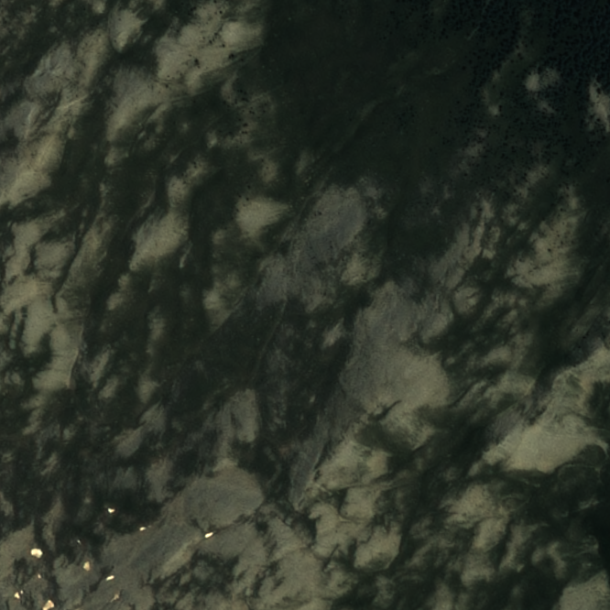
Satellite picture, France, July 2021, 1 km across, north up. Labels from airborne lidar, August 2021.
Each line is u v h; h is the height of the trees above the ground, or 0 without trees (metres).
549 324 0
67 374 0
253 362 0
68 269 0
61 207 0
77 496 0
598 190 0
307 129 0
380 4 0
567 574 0
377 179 0
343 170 0
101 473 0
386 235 0
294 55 0
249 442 0
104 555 0
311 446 0
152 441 0
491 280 0
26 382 0
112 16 0
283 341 0
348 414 0
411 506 0
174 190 0
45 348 0
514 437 0
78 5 0
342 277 0
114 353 0
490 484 0
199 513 0
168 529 0
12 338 0
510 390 0
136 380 0
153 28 0
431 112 0
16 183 0
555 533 0
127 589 0
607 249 0
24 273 0
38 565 0
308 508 0
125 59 0
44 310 0
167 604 0
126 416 0
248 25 0
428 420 0
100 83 0
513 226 0
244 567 0
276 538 0
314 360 0
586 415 0
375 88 0
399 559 0
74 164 0
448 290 0
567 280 0
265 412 0
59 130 0
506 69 0
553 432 0
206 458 0
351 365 0
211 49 0
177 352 0
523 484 0
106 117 0
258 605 0
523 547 0
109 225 0
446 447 0
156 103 0
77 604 0
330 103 0
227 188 0
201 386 0
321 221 0
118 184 0
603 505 0
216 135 0
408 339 0
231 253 0
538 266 0
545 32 0
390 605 0
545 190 0
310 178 0
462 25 7
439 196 0
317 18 0
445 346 0
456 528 0
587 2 20
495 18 8
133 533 0
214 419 0
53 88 0
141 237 0
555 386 0
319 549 0
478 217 0
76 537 0
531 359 0
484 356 0
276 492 0
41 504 0
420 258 0
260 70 0
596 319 0
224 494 0
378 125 0
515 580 0
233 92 0
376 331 0
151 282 0
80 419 0
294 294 0
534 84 0
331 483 0
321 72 0
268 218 0
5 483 0
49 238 0
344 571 0
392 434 0
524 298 0
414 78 0
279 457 0
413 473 0
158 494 0
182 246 0
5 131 0
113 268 0
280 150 0
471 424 0
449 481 0
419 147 0
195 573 0
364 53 0
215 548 0
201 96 0
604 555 0
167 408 0
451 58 0
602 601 0
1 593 0
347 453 0
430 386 0
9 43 0
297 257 0
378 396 0
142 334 0
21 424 0
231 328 0
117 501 0
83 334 0
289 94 0
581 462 0
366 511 0
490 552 0
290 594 0
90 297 0
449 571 0
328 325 0
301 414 0
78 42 0
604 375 0
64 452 0
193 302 0
